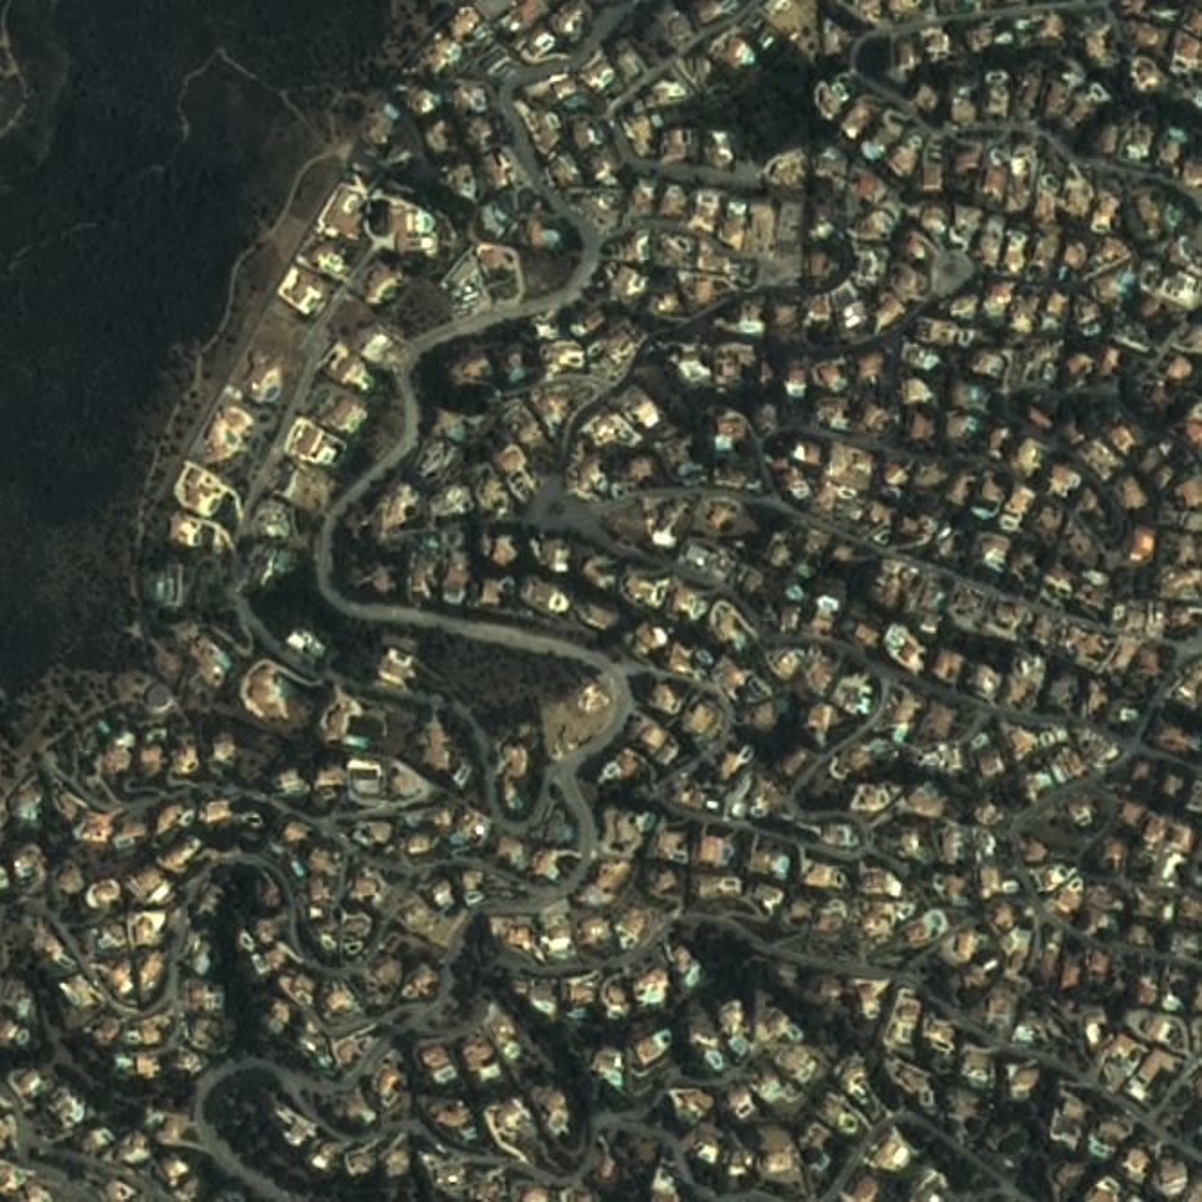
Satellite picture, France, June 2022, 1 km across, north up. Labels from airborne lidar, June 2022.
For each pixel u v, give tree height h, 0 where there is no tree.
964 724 9
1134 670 5
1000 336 6
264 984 8
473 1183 6
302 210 0
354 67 7
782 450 8
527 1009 6
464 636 7
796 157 0
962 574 13
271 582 8
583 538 11
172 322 6
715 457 10
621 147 0
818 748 11
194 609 9
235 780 7
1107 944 9
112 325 7
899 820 9
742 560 6
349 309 0
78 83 6
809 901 6
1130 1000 12
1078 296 8
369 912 10
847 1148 11
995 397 6
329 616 8
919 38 7
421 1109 7
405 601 7
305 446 0
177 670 0
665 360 10
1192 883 10
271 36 9
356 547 11
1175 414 10
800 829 8
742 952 6
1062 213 7
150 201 7
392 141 6
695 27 6
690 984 0
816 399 12
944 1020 12
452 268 6
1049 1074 6
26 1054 6
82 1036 6
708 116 8
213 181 7
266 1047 11
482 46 6
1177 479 6
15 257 7
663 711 6
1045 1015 8
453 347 8
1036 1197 15
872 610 6
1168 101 10
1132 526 10
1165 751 8
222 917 9
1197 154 8
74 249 6
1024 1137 11
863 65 8
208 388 0
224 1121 16
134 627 7
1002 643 12
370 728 0
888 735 6
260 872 7
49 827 8
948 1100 5
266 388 0
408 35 6
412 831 6
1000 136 7
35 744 0
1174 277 12
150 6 7
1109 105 8
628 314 9
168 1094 7
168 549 8
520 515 7
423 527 11
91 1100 8
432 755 0
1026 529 7
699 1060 7
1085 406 10
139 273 8
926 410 14
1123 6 10
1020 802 8
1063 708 6
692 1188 6
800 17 0
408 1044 12
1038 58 11
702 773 7
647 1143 6
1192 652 0
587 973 8
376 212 7
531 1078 5
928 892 7
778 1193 9
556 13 6
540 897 0
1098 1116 7
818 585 7
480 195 6
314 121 0
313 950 6
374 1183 8
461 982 11
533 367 10
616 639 9
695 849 7
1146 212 0
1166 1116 7
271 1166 7
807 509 7
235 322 0
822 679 0
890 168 6
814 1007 7
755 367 7
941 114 6
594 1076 8
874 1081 11
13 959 8
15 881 6
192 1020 9
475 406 13
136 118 8
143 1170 7
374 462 6
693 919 0
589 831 0
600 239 0
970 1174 6
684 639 9
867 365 0
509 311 0
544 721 7
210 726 6
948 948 0
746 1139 11
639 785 14
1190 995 12
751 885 7
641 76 9
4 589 6
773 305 8
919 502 9
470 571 7
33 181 7
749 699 9
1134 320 10
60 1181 0
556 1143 10
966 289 8
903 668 6
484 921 11
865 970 0
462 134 6
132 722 7
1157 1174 7
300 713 0
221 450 0
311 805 7
